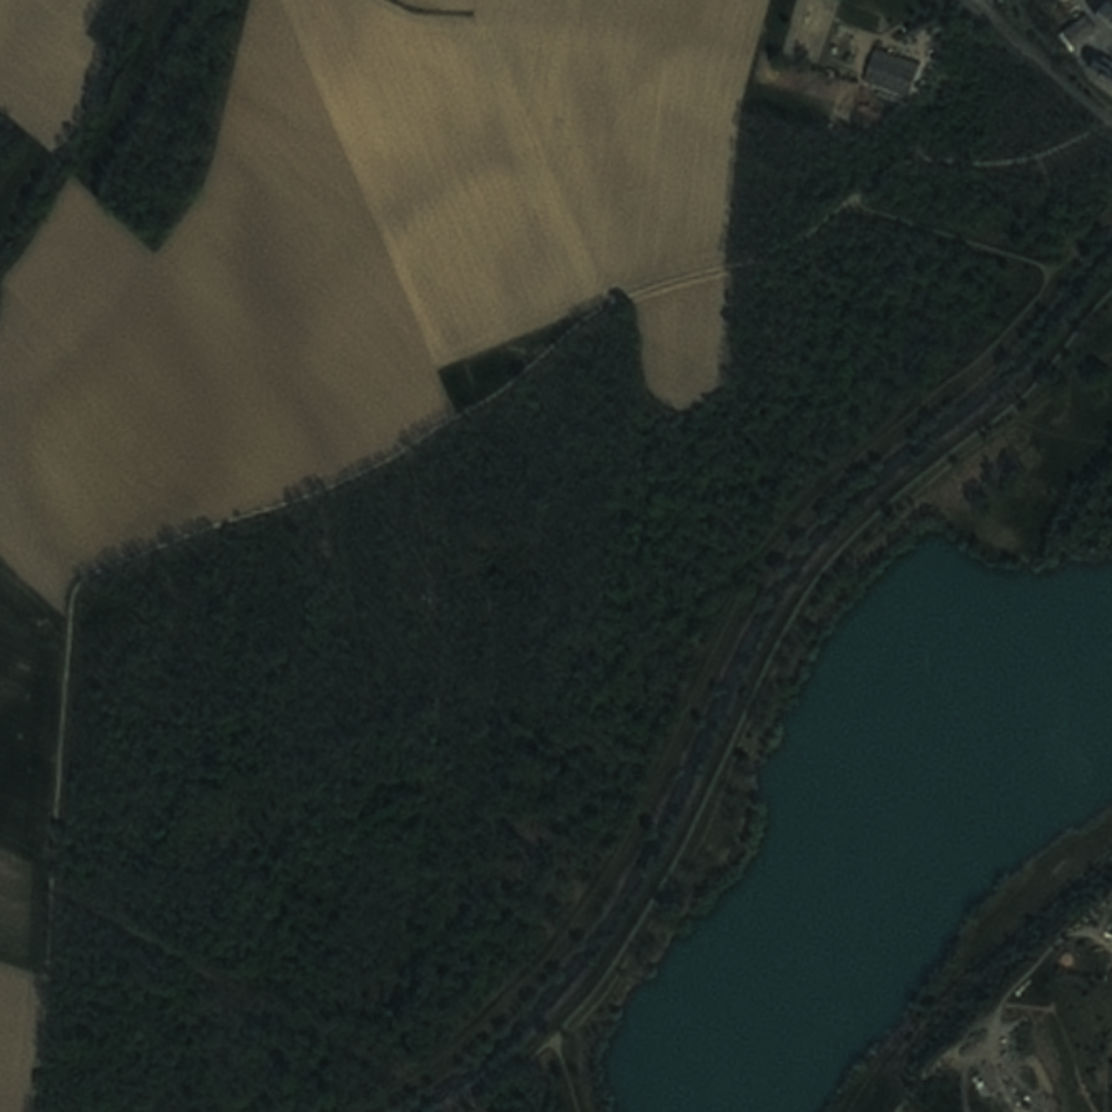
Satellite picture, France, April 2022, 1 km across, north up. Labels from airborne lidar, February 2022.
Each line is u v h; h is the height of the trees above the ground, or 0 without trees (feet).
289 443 0
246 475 0
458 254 0
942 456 0
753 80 0
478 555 0
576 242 0
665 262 0
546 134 0
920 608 0
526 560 0
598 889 0
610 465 60
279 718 76
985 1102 31
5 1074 0
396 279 0
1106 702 0
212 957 64
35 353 0
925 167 62
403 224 0
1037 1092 0
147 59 0
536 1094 70
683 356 0
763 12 0
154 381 0
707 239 0
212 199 0
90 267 0
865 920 0
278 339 0
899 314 45
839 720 0
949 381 0
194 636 64
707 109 0
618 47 0
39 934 0
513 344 0
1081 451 0
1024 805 0
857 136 39
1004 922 0
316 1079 68
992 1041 0
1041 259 0
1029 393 0
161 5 0
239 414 0
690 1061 0
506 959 47
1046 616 0
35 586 0
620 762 42
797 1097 0
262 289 0
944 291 51
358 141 0
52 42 0
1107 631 0
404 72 0
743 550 43
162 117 81
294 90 0
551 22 0
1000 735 0
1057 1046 0
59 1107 70
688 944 0
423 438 62
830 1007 0
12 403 0
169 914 66
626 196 0
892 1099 0
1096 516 61
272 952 42
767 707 59
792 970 0
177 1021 50
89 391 0
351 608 81
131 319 0
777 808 0
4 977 0
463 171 0
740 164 45
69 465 0
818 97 0
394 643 81
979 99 36
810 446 71
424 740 78
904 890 0
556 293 0
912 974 0
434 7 0
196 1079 56
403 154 0
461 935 75
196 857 78
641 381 67
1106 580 0
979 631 0
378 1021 73
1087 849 0
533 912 51
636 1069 0
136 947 67
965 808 0
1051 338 54
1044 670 0
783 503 45
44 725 0
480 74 0
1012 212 56
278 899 78
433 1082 39
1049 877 0
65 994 48
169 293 0
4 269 34
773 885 0
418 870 73
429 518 70
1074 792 0
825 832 0
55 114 0
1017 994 0
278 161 0
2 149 66
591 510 70
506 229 0
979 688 0
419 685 64
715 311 0
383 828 54
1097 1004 0
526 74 0
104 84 68
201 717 46
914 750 0
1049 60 49
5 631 0
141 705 67
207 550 47
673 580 36
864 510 36
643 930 0
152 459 0
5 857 0
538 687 74
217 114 69
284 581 38
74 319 0
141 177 76
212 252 0
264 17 0
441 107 0
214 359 0
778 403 67
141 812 54
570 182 0
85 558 0
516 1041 39
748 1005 0
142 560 71
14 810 0
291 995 68
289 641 53
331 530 71
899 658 0
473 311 0
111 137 0
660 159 0
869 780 0
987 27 46
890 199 53
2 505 0
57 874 53
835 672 0
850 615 0
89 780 47
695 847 0
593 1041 48
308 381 0
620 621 70
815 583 0
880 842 0
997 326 45
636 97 0
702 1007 0
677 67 0
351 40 0
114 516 0
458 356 0
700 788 0
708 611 48
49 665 0
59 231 0
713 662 0
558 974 53
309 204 0
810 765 0
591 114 0
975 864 0
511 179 0
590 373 72
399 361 0
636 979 24
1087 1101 0
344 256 0
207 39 54
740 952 0
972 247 44
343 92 0
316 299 0
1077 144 59
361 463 0
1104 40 0
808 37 0
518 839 58
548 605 69
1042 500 0
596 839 45
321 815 69
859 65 0
